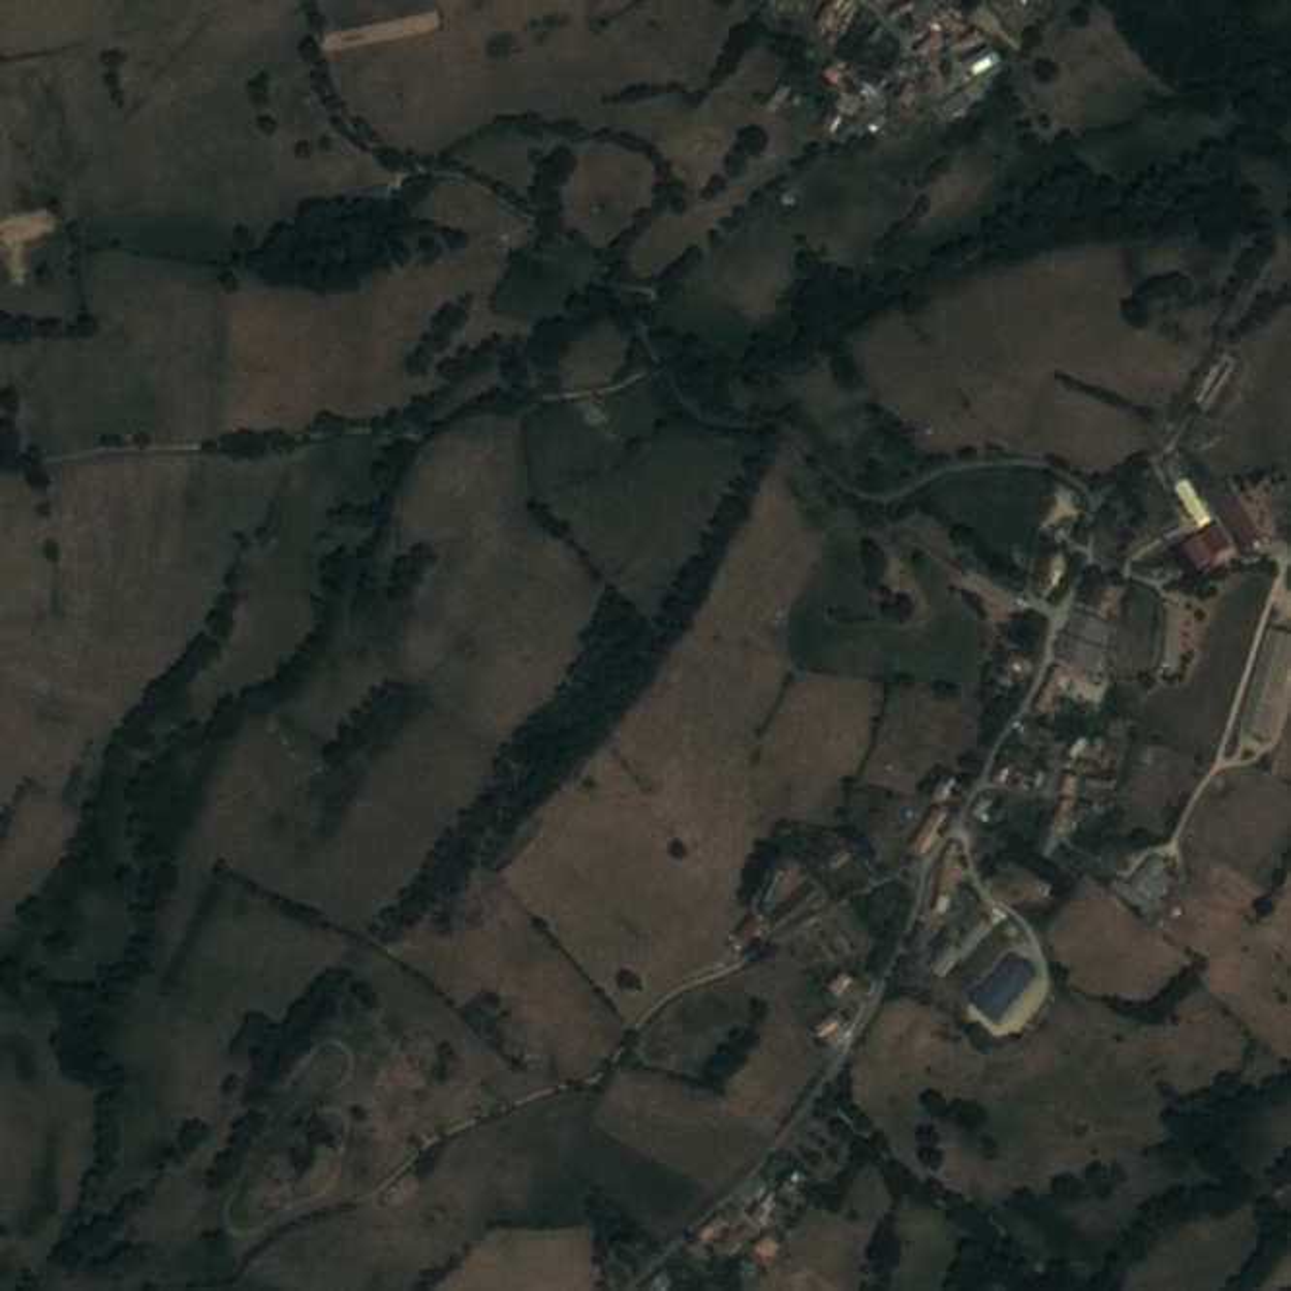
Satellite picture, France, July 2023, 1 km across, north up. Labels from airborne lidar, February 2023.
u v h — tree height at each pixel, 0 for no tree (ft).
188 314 0
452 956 0
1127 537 25
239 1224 0
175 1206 0
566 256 0
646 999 0
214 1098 0
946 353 0
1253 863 0
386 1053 0
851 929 0
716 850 0
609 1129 0
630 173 0
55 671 0
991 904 0
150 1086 0
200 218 0
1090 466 0
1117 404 31
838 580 0
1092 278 0
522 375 77
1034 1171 0
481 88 0
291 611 0
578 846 0
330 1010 44
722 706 0
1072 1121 0
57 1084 0
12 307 0
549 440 0
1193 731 0
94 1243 56
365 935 0
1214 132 0
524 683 0
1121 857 0
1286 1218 55
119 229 0
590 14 0
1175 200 75
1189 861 0
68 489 0
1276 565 24
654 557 0
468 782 0
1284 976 0
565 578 0
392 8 0
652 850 0
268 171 0
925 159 0
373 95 0
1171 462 0
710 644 0
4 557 0
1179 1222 67
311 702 0
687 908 0
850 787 36
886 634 0
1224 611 0
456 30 0
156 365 0
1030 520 0
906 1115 0
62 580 0
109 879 0
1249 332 38
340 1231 0
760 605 0
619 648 34
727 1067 60
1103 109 0
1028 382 0
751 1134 0
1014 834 21
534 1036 0
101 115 0
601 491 0
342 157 0
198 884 0
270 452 40
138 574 0
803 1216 25
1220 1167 65
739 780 0
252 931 0
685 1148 0
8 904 0
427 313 0
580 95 0
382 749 0
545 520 58
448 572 0
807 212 0
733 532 26
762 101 44
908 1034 0
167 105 0
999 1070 0
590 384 0
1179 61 28
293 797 0
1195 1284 0
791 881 0
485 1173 0
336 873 0
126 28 0
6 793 0
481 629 0
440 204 0
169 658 0
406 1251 0
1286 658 0
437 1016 0
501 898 0
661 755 0
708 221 0
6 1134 0
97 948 0
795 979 0
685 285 50
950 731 0
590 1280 0
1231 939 0
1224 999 0
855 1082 37
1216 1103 65
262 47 0
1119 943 0
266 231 0
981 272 0
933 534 0
